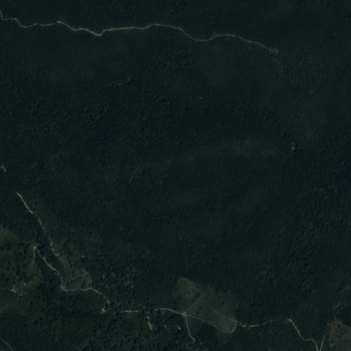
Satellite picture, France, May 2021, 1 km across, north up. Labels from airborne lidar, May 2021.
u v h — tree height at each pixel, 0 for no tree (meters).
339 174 18
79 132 15
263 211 21
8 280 12
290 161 19
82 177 9
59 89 23
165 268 7
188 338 9
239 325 7
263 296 17
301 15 10
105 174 9
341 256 10
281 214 11
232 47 8
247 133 13
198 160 8
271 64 6
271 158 13
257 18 8
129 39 9
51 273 5
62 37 7
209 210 15
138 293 10
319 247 16
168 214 16
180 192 11
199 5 11
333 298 7
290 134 18
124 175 9
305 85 6
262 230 16
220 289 15
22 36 9
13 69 17
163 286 8
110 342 10
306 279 13
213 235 11
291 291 12
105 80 18
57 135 15
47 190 8
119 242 9
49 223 6
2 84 14
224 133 13
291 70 7
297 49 6
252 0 8
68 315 20
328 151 16
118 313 15
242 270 14
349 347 0
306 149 26
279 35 7
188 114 20
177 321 19
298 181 13
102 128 18
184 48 10
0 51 13
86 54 8
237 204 15
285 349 6
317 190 14
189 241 11
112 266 11
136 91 18
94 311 12
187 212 17
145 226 17
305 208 14
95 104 14
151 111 20
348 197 12
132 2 17
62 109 18
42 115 18
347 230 11
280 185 20
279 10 8
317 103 6
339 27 10
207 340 16
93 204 14
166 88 21
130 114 15
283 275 14
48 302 14
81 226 9
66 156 11
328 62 6
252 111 26
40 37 8
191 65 13
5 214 18
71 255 10
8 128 14
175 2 13
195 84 19
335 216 13
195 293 0
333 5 17
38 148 9
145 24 6
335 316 9
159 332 19
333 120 14
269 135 14
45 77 13
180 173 12
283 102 8
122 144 9
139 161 7
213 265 11
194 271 12
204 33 6
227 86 8
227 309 0
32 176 5
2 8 6
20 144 13
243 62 7
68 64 10
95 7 11
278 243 15
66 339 6
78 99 18
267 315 8
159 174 9
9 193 12
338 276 9
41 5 8
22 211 14
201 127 18
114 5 11
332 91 6
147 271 14
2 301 0
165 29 9
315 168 16
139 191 14
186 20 10
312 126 8
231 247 15
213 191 12
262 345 8
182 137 17
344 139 24
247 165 21
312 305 7
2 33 8
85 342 6
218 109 21
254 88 10
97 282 7
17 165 10
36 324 16
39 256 19
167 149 12
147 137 14
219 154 8
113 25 8
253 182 17
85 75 10
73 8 10
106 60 8
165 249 7
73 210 10
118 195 11
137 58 16
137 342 17
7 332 10
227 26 8
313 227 19
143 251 9
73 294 5
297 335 7
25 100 14
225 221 10
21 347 10
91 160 12
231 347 7
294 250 17
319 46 8
